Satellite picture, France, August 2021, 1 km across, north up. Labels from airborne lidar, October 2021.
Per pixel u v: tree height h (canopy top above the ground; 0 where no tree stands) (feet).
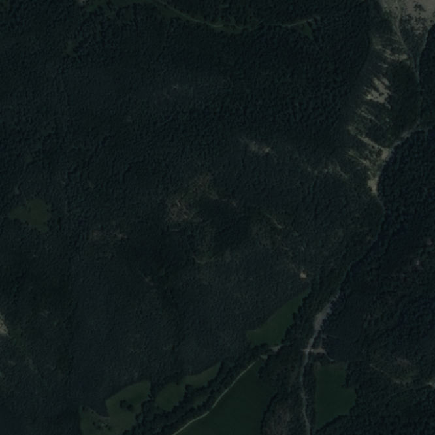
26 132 50
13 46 43
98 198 48
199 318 44
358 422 62
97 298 39
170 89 60
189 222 24
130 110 59
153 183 62
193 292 47
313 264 38
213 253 33
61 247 53
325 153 41
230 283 27
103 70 53
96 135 61
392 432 34
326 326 43
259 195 74
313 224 44
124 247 73
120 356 38
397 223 36
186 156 54
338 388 0
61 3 51
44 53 41
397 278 32
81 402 62
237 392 0
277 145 42
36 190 29
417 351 72
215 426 0
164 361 32
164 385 84
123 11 48
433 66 64
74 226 36
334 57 60
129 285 62
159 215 54
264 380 60
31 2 78
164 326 33
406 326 101
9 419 62
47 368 30
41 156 66
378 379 51
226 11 53
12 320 34
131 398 0
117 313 37
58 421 59
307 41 88
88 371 44
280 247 19
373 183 0
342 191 62
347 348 52
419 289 56
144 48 44
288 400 54
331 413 0
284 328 0
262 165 79
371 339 65
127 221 53
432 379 78
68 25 44
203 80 45
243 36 43
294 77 68
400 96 37
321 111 85
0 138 48
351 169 54
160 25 40
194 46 58
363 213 49
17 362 26
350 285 69
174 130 74
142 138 73
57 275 56
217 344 34
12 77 42
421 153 55
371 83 51
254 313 39
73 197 72
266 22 31
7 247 46
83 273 36
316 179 33
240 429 0
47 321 45
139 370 27
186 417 39
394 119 36
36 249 40
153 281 38
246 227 60
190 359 31
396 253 79
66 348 59
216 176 79
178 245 54
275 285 24
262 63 37
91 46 58
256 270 39
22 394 26
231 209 37
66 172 41
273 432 26
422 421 52
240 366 49
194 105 77
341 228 49
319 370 0
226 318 32
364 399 71
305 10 54
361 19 73
